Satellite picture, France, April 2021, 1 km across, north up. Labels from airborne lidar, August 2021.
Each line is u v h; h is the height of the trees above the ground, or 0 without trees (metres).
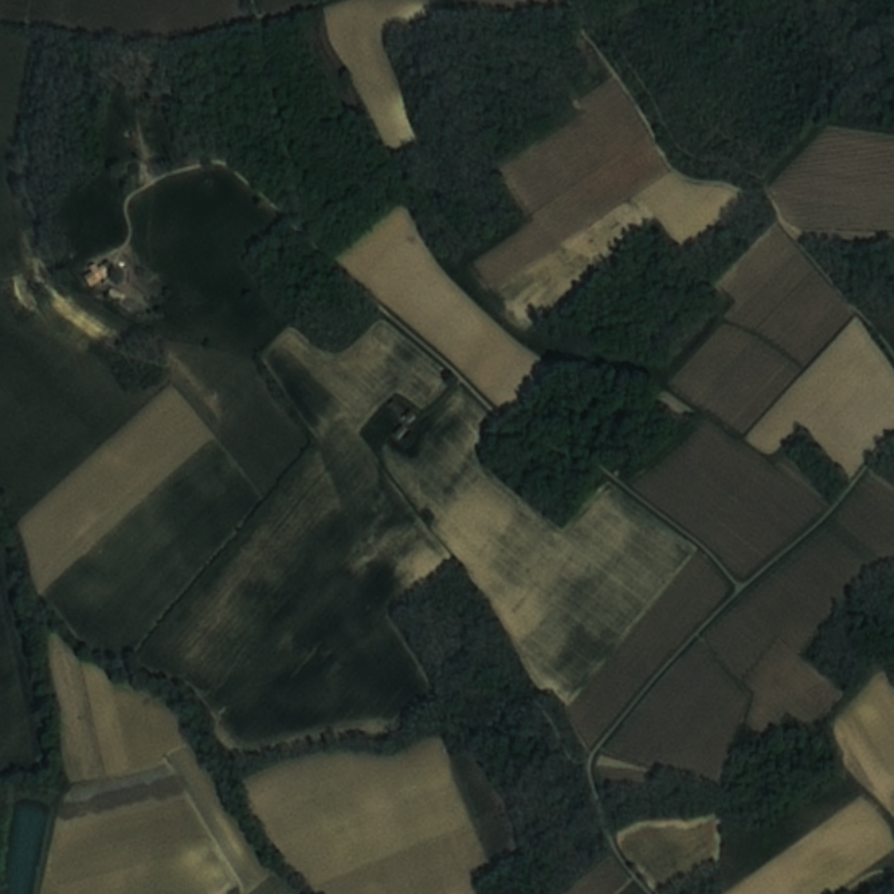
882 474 13
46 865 0
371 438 0
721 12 18
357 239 15
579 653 0
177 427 0
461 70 18
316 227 18
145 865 0
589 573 0
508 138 21
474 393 0
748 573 0
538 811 15
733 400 0
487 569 0
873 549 0
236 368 0
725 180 10
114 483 0
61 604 0
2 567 0
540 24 19
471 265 0
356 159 21
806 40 11
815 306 0
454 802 0
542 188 0
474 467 0
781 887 0
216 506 0
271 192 21
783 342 0
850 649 16
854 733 0
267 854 21
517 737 18
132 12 0
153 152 0
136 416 0
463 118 19
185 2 0
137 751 0
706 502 0
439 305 0
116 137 0
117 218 0
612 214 0
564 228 0
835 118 14
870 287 20
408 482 0
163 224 0
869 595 16
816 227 0
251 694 0
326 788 0
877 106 19
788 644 0
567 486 14
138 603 0
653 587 0
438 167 17
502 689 7
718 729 0
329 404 0
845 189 0
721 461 0
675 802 16
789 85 7
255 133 23
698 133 7
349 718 0
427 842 0
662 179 0
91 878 0
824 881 0
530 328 0
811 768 8
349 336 17
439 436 0
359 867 0
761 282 0
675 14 18
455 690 23
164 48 17
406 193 18
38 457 0
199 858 0
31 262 0
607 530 0
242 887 0
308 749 14
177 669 0
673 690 0
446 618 16
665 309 17
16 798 9
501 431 20
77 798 0
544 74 16
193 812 0
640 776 0
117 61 19
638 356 15
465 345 0
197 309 0
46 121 15
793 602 0
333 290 22
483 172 23
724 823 12
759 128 8
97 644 0
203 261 0
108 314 0
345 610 0
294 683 0
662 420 20
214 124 21
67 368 0
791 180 0
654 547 0
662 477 0
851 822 0
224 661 0
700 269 18
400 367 0
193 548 0
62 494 0
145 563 0
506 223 24
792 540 0
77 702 0
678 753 0
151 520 0
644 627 0
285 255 12
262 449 0
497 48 17
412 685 0
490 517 0
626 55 6
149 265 0
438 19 17
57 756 18
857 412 0
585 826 15
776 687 0
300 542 0
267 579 0
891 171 0
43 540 0
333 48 0
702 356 0
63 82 18
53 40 20
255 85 22
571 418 15
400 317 0
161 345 12
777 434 0
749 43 13
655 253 14
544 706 17
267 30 16
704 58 14
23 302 0
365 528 0
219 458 0
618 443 20
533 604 0
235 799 21
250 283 0
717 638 0
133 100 0
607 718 0
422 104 12
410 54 12
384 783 0
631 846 0
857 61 19
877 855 0
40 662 22
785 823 0
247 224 0
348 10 0
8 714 0
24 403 0
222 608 0
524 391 0
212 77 16
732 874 0
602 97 0
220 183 0
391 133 0
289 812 0
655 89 8
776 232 0
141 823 0
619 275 18
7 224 0
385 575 0
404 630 15
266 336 0
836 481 12
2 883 14
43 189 18
